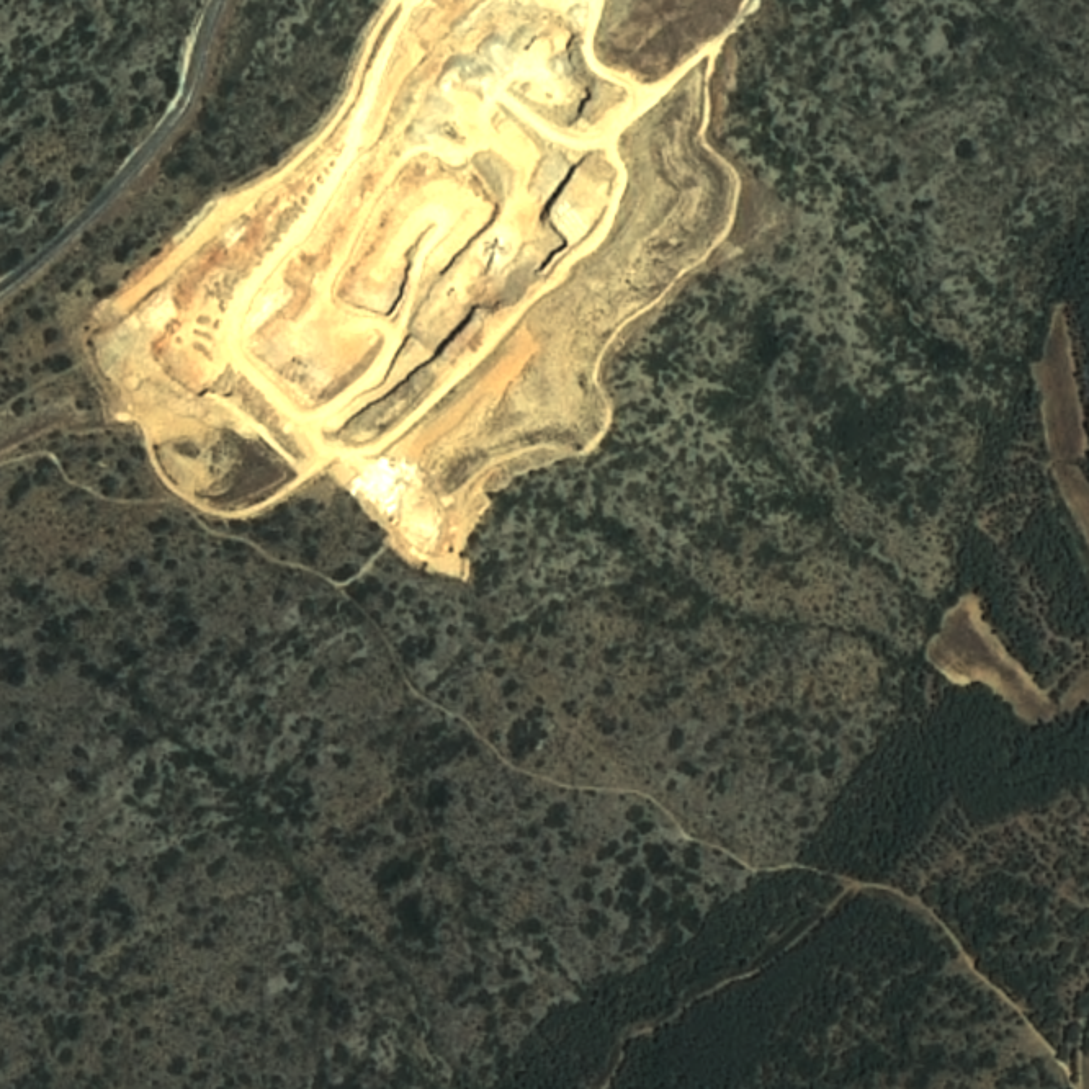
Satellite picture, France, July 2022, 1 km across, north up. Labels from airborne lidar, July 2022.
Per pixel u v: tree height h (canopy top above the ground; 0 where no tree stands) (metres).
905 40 0
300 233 0
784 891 9
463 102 0
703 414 0
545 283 0
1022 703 0
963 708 14
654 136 0
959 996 6
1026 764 11
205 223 0
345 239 0
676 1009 11
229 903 0
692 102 0
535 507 0
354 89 0
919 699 10
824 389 0
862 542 7
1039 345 6
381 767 0
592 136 0
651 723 0
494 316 0
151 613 0
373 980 0
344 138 0
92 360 0
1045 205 0
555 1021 10
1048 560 9
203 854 0
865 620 0
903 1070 8
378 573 0
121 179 0
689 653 0
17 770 0
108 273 0
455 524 0
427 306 0
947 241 0
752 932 10
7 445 0
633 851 0
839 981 9
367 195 0
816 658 0
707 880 0
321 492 0
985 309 0
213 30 0
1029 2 0
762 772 0
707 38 0
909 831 6
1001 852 8
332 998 7
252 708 0
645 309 0
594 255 0
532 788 0
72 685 0
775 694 0
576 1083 9
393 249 0
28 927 0
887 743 9
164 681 0
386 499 0
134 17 0
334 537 0
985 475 8
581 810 0
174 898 0
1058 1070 0
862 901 10
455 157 0
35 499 0
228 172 0
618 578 0
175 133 0
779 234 0
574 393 0
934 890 8
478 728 0
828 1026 9
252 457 0
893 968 8
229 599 0
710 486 0
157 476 0
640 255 0
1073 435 0
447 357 0
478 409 0
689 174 0
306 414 0
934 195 0
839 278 0
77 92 0
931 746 15
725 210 0
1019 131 0
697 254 0
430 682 0
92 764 0
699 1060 9
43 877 0
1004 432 9
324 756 0
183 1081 0
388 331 0
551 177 0
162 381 0
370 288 0
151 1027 0
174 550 0
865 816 11
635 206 0
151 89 0
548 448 0
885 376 0
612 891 0
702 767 0
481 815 0
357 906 0
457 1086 7
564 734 0
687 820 0
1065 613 11
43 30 0
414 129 0
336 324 0
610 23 0
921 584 0
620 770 0
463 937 0
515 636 0
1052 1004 9
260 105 0
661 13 0
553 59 0
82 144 0
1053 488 9
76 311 0
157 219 0
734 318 0
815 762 0
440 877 0
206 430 0
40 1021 0
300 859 0
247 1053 0
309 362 0
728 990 6
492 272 0
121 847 0
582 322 0
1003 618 11
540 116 0
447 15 0
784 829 0
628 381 0
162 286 0
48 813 0
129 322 0
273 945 0
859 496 0
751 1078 7
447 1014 0
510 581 0
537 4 0
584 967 0
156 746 0
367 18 0
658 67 0
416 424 0
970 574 12
